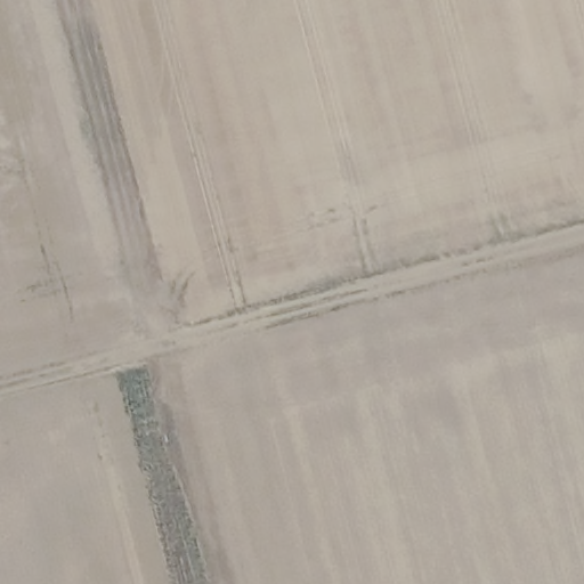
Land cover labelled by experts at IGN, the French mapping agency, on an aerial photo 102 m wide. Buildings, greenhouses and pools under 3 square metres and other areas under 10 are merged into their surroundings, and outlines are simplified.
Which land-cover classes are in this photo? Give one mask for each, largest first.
<instances>
[{"label":"agricultural land","instance_id":"1","mask_svg":"<svg viewBox=\"0 0 584 584\"><path fill-rule=\"evenodd\" d=\"M584 217V0H0V374L32 367V358L68 354L73 347H84L91 342L105 344V351L91 358L75 360L68 374H59V379H71L75 374L107 365H114L119 370V381H114L112 386H100L96 379L82 383L71 381L50 390H41V386H37L21 395H5V399L0 402V584H584V256L554 262L548 267H532L500 276H479L475 281H461L456 285L436 287L431 292L413 297L388 299L386 303L376 306L365 303L342 313H322V319L299 322L274 331H267L262 319H256L253 315H267L274 310V306L249 310L244 315L210 322L203 326H196V319L224 313L233 306H240L246 299L258 301L301 290L308 283L338 276L347 269H379L383 262L397 258H420L427 253H438V260H445L452 256L479 251L484 246L538 237V226Z\"/></svg>","mask_w":584,"mask_h":584},{"label":"pervious surface","instance_id":"2","mask_svg":"<svg viewBox=\"0 0 584 584\"><path fill-rule=\"evenodd\" d=\"M538 237L484 246L479 251L452 256L445 260H438V253H427L420 258H397L383 262L379 269H347L338 276L308 283L301 290L258 301L246 299L240 306H233L224 313L196 319V326H203L210 322L244 315L249 310L274 306V310L267 315H253L256 319H262L267 331H274L299 322L322 319V313H342L365 303L376 306L386 303L388 299L413 297L431 292L436 287L456 285L461 281H475L479 276H500L532 267H548L554 262L584 256V217L538 226ZM105 351V344L91 342L84 347H73L68 354L32 358V367L0 374V402L5 399V395H21L37 386H41V390H50L71 381L82 383L96 379L100 386H112L114 381H119V370L114 365H107L75 374L71 379H59V374H68L75 360L91 358Z\"/></svg>","mask_w":584,"mask_h":584}]
</instances>
